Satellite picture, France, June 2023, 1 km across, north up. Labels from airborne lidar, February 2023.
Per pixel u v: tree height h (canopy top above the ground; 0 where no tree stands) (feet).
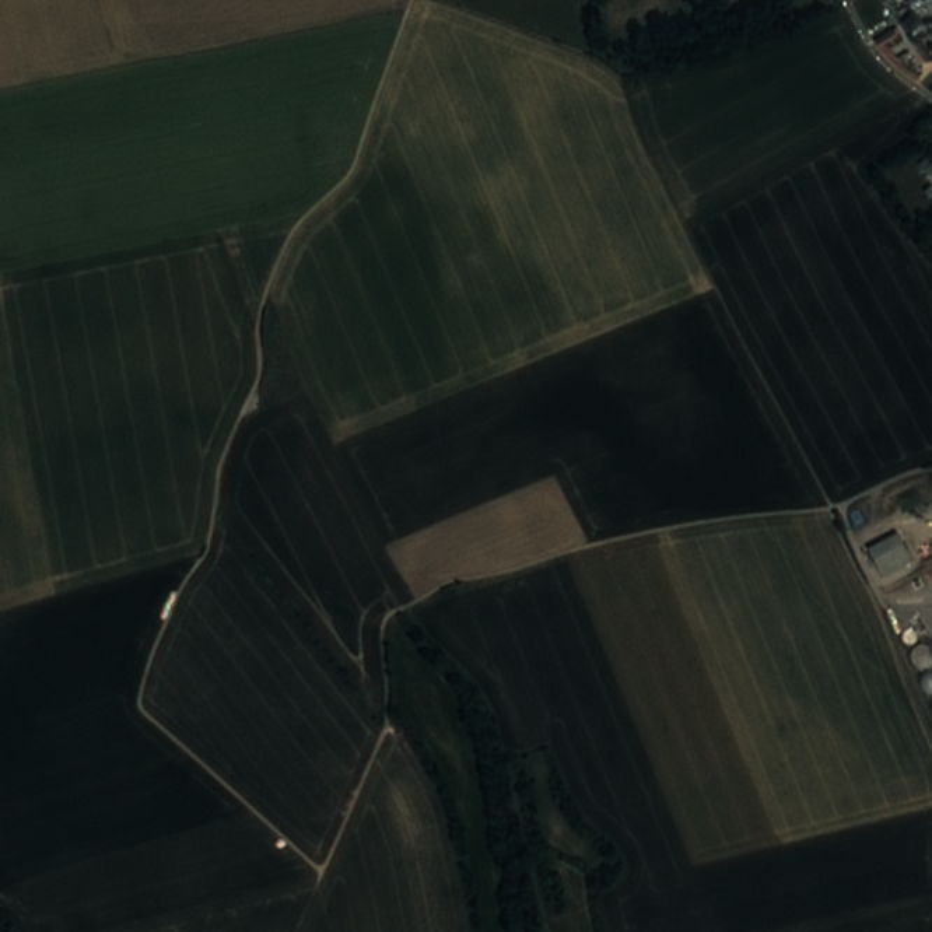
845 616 0
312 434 0
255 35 0
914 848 0
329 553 0
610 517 0
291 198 0
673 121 0
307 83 0
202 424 0
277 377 0
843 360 0
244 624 0
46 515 0
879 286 0
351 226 0
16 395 0
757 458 0
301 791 0
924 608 0
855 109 0
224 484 0
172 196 0
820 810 0
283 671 0
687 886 0
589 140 0
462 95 0
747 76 0
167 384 0
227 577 0
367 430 0
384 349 0
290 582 0
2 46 0
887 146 0
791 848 0
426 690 0
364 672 0
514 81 0
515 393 0
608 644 0
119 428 0
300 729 0
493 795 76
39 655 0
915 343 0
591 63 0
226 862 0
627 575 0
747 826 0
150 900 0
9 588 0
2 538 0
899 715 0
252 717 0
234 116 0
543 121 0
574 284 0
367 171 0
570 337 0
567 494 0
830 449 0
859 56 0
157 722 0
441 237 0
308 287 0
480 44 0
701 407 0
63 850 0
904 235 0
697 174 0
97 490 0
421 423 0
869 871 0
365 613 0
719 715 0
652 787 0
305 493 0
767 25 87
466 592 0
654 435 0
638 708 0
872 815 0
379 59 0
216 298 0
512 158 0
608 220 0
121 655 0
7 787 0
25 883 0
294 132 0
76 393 0
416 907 0
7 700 0
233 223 0
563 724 0
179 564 0
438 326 0
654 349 0
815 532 0
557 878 23
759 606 0
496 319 0
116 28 0
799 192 0
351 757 0
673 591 0
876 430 0
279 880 0
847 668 0
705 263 0
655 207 0
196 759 0
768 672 0
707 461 0
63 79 0
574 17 0
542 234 0
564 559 0
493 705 0
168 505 0
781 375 0
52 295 0
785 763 0
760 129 0
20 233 0
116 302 0
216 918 0
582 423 0
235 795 0
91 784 0
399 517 0
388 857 0
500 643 0
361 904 0
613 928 0
